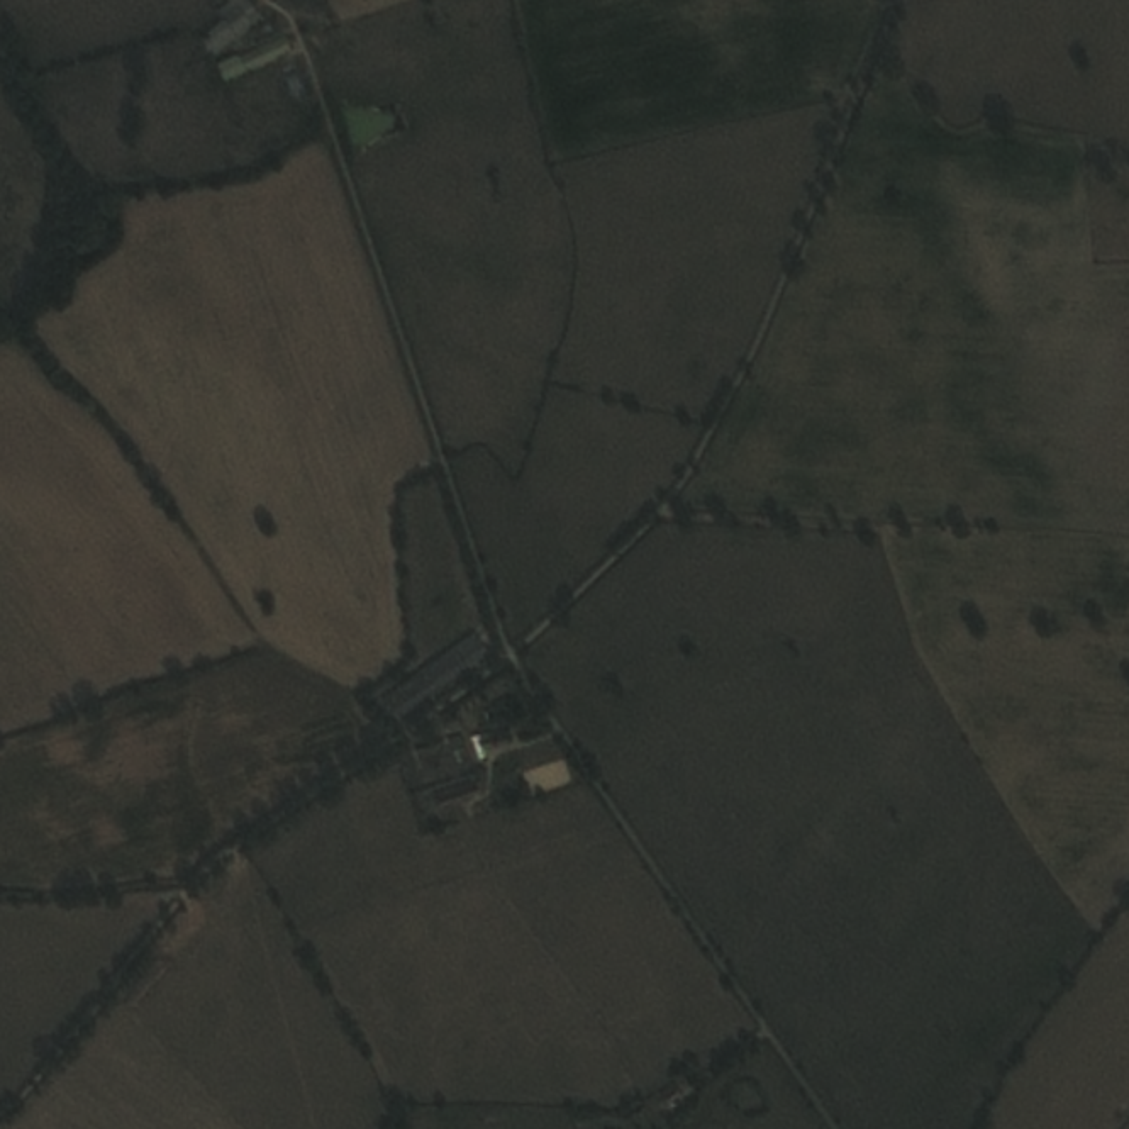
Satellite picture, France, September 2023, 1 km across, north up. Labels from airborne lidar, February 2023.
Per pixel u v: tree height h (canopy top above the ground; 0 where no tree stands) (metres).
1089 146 0
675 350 0
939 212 0
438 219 0
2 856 0
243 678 0
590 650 0
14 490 0
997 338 0
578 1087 0
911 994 0
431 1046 0
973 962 0
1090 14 0
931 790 0
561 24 0
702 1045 0
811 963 0
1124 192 0
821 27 0
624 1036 0
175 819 0
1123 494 0
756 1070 0
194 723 0
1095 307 0
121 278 0
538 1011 0
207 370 0
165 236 0
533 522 0
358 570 0
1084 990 0
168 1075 0
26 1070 0
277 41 0
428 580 0
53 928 0
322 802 15
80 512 0
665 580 0
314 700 0
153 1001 0
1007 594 0
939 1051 0
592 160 0
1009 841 0
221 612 0
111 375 0
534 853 0
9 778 0
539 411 7
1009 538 0
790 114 0
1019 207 0
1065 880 0
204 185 6
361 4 0
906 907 0
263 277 0
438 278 0
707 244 0
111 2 0
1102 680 0
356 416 0
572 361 0
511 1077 0
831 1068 0
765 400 0
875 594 0
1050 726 0
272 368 0
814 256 0
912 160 0
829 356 0
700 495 0
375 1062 0
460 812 0
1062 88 0
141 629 0
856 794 0
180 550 0
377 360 0
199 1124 0
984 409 0
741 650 0
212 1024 0
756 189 0
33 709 0
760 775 0
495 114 0
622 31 0
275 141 0
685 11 0
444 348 0
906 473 0
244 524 0
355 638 0
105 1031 0
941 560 0
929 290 0
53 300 16
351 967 0
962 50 0
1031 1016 0
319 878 0
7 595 0
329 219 0
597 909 0
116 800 0
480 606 11
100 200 27
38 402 0
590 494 0
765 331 0
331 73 0
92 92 0
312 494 0
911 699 0
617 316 0
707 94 0
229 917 0
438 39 0
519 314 0
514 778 0
